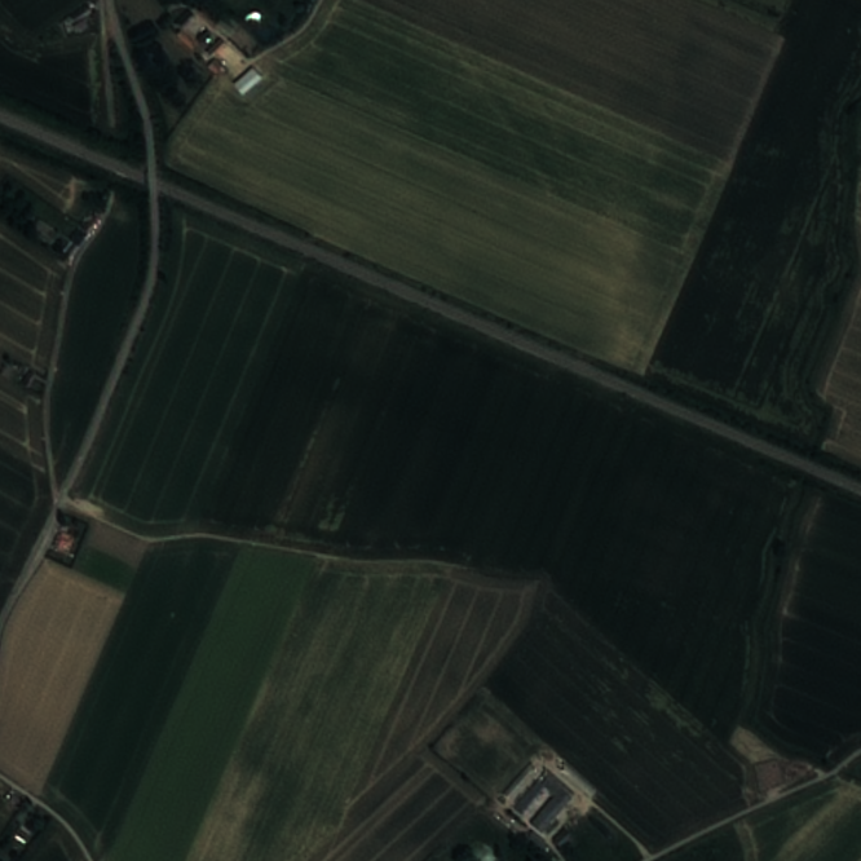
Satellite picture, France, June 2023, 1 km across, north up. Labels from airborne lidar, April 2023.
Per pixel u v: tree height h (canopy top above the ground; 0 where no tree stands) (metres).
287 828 0
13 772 0
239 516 0
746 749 0
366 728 0
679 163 0
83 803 0
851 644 0
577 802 0
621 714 0
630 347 0
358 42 0
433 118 0
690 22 0
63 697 0
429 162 0
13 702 0
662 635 0
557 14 0
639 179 0
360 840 0
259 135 0
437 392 0
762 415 0
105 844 0
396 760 0
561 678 0
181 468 0
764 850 0
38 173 0
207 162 0
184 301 0
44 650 0
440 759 0
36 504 0
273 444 0
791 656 0
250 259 0
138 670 0
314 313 0
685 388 0
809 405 0
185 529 0
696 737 0
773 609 0
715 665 0
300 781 0
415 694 0
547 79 0
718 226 0
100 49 0
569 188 0
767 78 0
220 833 0
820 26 0
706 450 0
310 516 0
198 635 0
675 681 0
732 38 0
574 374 0
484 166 0
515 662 0
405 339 0
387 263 0
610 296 0
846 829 0
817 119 0
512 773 0
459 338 0
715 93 0
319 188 0
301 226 0
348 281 0
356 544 0
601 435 0
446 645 0
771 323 0
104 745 0
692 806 0
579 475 0
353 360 0
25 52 0
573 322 0
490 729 0
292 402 0
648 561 0
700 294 0
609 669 0
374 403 0
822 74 0
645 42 0
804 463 0
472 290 0
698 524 0
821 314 0
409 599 0
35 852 0
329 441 0
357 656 0
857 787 0
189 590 0
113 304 0
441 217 0
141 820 0
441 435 0
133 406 0
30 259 0
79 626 0
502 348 0
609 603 0
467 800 0
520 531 0
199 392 0
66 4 0
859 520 0
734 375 0
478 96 0
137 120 8
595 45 0
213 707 0
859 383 0
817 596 0
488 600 0
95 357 0
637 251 0
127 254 0
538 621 0
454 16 0
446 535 0
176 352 0
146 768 0
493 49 0
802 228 0
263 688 0
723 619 0
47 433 0
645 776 0
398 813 0
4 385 0
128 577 0
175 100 24
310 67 0
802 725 0
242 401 0
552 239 0
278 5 0
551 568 0
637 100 0
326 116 0
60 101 0
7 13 0
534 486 0
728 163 0
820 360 0
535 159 0
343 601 0
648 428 0
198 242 0
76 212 0
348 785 0
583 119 0
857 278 0
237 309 0
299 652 0
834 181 0
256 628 0
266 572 0
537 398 0
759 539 0
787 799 0
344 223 0
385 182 0
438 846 0
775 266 0
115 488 0
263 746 0
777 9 0
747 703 0
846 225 0
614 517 0
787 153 0
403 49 0
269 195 0
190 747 0
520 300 0
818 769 0
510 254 0
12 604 0
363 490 0
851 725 0
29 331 0
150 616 0
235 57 0
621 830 0
